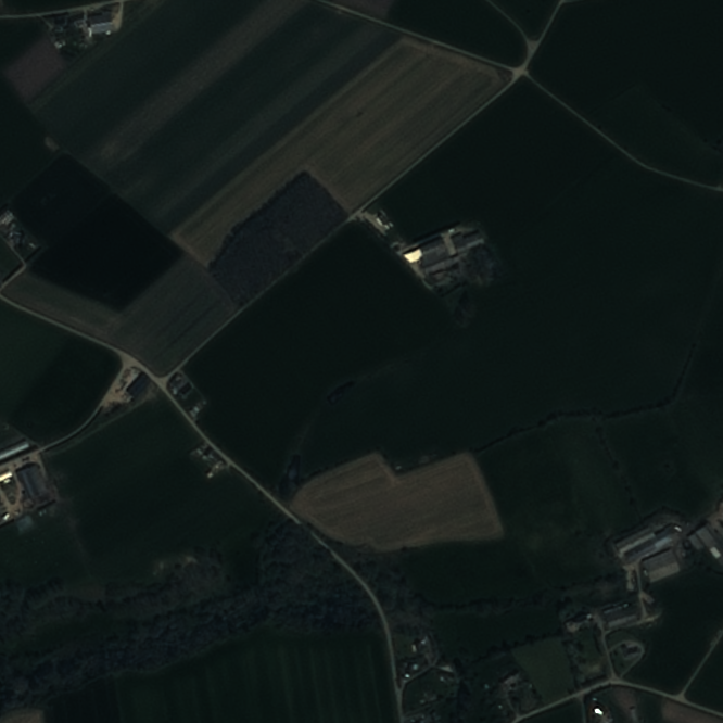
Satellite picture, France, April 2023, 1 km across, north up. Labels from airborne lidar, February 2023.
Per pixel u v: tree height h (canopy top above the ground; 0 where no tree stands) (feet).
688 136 0
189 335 0
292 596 25
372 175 0
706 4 0
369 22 0
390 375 0
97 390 0
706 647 0
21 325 0
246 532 0
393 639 0
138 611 62
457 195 0
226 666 0
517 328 0
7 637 56
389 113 0
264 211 36
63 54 26
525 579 0
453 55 0
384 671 0
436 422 0
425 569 0
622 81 0
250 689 0
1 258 0
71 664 31
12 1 0
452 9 0
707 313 0
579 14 0
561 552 0
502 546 0
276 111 0
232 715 0
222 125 0
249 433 0
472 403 0
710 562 0
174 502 0
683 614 0
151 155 0
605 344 0
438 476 0
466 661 20
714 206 0
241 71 0
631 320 0
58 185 0
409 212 0
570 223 0
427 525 0
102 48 0
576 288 0
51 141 0
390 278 0
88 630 0
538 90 0
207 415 0
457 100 0
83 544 0
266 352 0
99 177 0
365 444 0
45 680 48
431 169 0
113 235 0
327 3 0
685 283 0
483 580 0
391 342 0
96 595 0
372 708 0
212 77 0
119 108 0
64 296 0
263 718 0
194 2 0
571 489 0
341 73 0
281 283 0
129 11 0
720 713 0
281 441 0
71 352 0
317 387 0
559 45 0
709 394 0
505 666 0
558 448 0
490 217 0
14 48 0
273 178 0
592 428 0
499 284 0
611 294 0
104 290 0
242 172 0
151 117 0
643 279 0
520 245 0
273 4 0
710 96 0
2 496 0
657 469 0
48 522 0
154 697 0
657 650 0
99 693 0
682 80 0
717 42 0
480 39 0
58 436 0
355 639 0
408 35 0
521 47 0
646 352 0
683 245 0
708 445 0
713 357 0
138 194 0
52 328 0
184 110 0
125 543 0
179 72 0
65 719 0
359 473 0
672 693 0
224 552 0
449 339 0
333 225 51
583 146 0
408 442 0
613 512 0
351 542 0
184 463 0
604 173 0
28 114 0
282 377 0
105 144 0
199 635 41
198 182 0
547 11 0
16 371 0
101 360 0
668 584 0
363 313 0
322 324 0
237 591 23
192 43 0
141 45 0
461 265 0
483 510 0
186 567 37
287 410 0
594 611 0
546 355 0
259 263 52
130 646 39
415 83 0
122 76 0
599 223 0
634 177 0
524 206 0
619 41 0
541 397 0
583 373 0
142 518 0
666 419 0
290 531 35
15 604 31
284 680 0
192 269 0
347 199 0
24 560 0
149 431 0
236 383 0
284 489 59
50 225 0
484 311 0
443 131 0
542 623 0
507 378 0
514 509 0
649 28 0
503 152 0
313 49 0
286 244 51
